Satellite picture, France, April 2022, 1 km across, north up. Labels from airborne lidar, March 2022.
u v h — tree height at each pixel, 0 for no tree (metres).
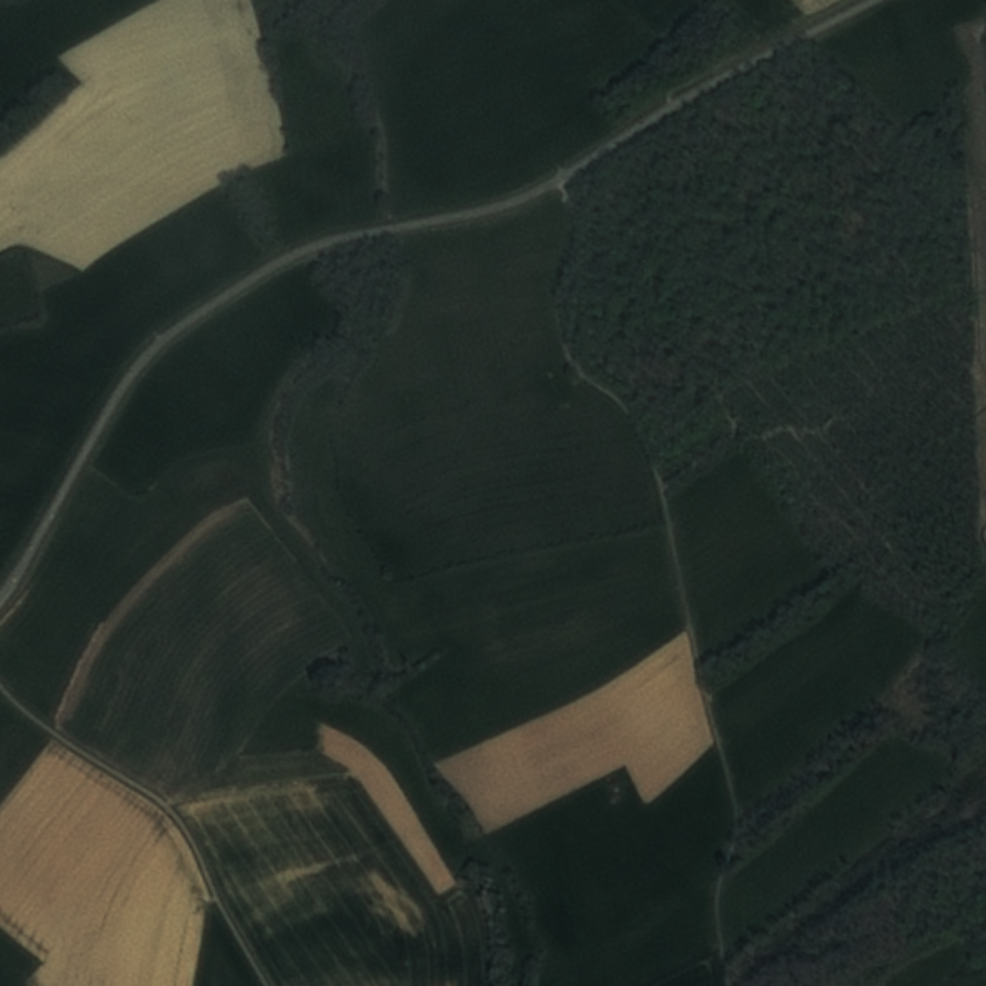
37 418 0
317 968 0
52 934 0
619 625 0
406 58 0
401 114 0
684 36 18
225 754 0
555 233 0
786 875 0
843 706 0
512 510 0
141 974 0
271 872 0
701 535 0
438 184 0
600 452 0
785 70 22
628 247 24
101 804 0
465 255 0
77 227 0
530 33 0
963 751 20
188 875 0
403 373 0
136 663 0
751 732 0
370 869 0
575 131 0
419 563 0
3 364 0
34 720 0
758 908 0
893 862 8
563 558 0
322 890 0
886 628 0
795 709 0
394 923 0
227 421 0
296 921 0
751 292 26
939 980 0
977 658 0
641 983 0
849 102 24
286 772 0
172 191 0
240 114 0
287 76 0
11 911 0
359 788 0
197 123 0
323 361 19
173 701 0
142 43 0
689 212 25
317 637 0
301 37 14
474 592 0
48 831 0
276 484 0
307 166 0
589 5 0
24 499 0
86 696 0
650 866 0
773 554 0
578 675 0
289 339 0
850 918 27
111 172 0
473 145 0
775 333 23
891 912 30
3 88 0
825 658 0
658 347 22
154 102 0
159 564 0
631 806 0
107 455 0
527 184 0
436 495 0
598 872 0
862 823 0
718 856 0
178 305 0
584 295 23
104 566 0
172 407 0
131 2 0
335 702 21
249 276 0
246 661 0
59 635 0
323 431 0
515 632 0
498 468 0
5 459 0
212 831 0
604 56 0
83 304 0
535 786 0
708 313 22
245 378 0
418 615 0
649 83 17
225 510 0
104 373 0
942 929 28
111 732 0
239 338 0
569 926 0
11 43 0
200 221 0
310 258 0
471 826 0
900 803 0
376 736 0
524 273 0
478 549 0
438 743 0
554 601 0
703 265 24
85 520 0
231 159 0
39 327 0
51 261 0
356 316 18
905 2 0
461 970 0
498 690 0
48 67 0
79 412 0
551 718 0
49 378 0
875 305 25
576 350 18
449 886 0
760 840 15
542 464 0
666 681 0
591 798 0
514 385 0
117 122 0
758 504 0
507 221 0
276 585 0
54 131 0
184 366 0
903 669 0
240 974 0
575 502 0
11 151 19
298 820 0
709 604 0
